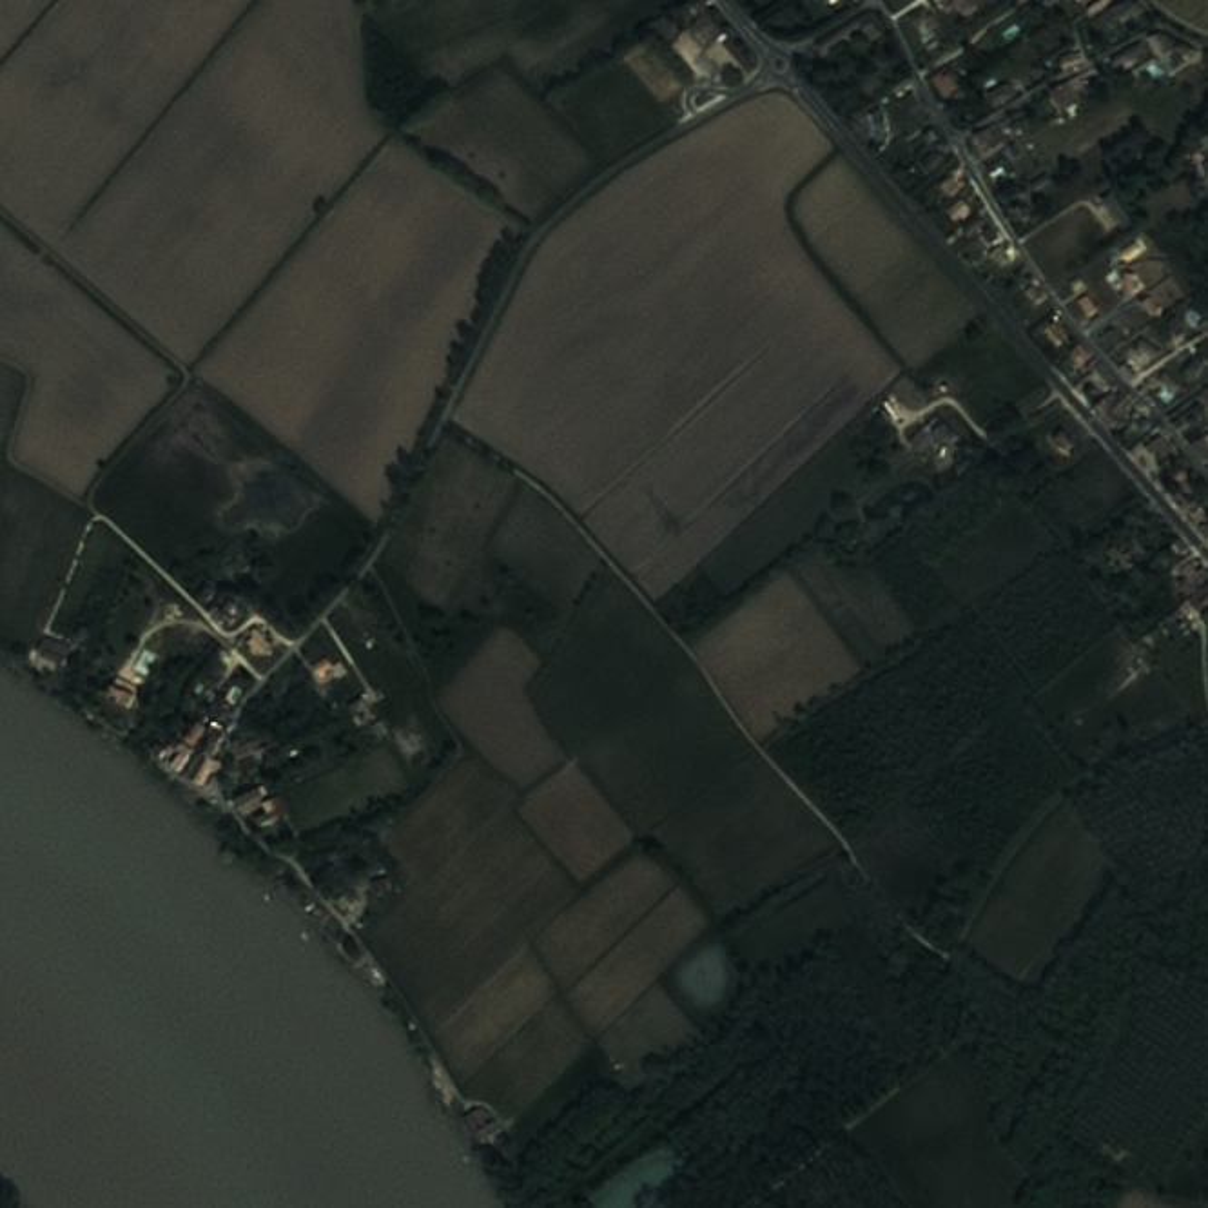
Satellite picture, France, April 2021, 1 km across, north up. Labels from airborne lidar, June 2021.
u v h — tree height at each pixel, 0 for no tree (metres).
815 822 0
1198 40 8
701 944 0
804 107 0
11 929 0
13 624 0
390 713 0
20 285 0
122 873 0
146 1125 0
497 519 0
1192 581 0
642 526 0
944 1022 8
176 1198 0
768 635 0
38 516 0
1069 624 8
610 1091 14
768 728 0
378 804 8
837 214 0
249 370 0
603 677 0
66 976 0
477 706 0
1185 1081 15
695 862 0
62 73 0
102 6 0
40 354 0
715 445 0
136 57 0
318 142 0
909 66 7
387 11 0
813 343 0
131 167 0
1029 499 11
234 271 0
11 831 0
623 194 0
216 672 0
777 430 0
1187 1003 19
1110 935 18
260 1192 0
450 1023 0
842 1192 25
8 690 0
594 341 0
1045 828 0
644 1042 0
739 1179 20
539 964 0
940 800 7
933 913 11
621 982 0
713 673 0
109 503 0
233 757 9
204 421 0
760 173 0
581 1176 9
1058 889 0
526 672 0
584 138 0
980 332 12
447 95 20
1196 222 11
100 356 0
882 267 0
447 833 0
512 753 0
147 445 0
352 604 0
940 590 7
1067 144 0
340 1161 0
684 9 7
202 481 0
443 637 9
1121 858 14
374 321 0
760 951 0
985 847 9
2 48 0
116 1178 0
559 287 0
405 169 0
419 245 0
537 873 0
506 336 0
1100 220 0
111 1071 0
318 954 0
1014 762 10
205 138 0
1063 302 0
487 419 0
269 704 11
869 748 8
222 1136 0
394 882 12
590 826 0
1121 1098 16
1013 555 0
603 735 0
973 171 0
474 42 0
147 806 0
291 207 0
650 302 0
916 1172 0
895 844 0
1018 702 9
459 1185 0
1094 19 10
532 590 0
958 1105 0
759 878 0
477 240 0
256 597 22
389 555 0
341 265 0
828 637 0
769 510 0
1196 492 11
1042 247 0
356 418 0
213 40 0
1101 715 0
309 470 0
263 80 0
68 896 0
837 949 17
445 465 0
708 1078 13
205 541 0
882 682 8
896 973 11
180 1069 0
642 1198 8
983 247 0
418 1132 0
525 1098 0
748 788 0
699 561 0
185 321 0
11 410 0
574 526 0
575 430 0
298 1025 0
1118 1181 10
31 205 0
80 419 0
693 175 0
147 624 0
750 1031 9
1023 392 0
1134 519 9
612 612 0
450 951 0
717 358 0
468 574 0
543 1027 0
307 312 0
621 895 0
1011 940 0
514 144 0
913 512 12
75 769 0
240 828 14
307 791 0
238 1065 0
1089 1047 10
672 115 0
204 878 0
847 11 6
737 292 0
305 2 0
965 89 6
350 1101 0
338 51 0
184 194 0
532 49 0
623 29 0
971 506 17
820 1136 7
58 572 0
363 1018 0
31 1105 0
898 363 0
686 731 0
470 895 0
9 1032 0
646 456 0
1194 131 16
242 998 0
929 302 0
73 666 11
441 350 0
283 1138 0
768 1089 18
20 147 0
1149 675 0
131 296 0
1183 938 22
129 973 0
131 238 0
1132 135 12
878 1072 18
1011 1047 14
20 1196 17
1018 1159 11
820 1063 19
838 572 7
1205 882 18
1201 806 24
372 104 6
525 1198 13
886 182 0
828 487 0
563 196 0
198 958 0
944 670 9
